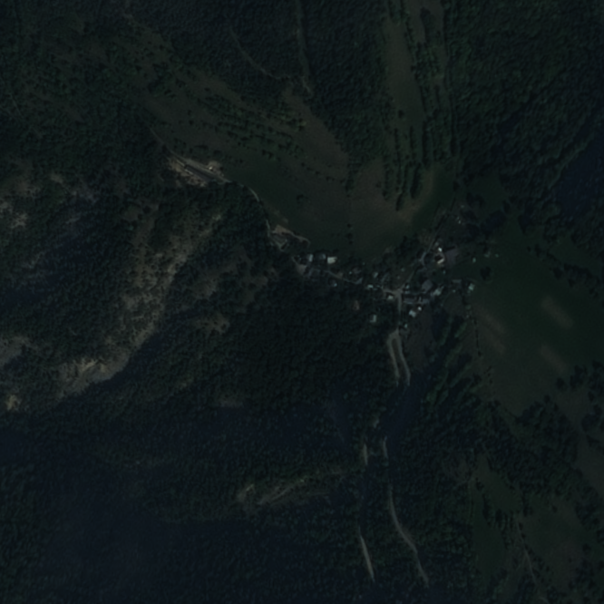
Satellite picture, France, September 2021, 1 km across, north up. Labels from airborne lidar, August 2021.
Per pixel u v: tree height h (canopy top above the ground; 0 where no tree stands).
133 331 7
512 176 21
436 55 13
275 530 7
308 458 15
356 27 23
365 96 24
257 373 28
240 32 22
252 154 0
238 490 17
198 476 29
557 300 0
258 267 22
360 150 14
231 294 10
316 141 0
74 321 23
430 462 15
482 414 13
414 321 11
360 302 10
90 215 9
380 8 20
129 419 15
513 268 0
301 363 31
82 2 21
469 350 0
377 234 0
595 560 0
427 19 19
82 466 38
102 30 19
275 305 17
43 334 11
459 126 18
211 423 20
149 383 17
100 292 16
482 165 21
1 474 26
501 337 0
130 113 12
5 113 7
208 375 15
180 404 22
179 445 24
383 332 13
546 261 12
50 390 8
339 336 25
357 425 26
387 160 16
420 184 18
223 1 24
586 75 29
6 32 19
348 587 25
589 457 0
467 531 11
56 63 13
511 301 0
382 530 14
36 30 17
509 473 20
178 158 0
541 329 0
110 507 23
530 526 0
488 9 28
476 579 17
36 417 14
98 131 13
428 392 16
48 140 11
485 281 12
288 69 21
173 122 0
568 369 0
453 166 14
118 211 12
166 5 19
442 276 0
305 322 18
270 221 11
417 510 24
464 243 7
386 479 9
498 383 0
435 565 12
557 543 0
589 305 0
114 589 29
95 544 21
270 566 20
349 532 15
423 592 7
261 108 9
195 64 20
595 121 15
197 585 13
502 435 17
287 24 23
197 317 13
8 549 23
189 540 30
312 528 10
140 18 15
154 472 12
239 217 7
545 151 27
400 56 0
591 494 19
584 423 0
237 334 19
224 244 12
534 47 26
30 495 23
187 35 13
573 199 26
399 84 0
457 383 8
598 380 11
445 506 15
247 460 30
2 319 20
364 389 26
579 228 25
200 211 12
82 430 18
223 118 8
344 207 0
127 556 25
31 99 12
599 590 14
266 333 26
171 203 13
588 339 0
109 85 19
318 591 19
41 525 19
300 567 31
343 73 26
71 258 14
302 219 0
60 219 14
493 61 28
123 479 8
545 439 18
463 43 22
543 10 26
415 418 23
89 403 12
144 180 16
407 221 0
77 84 17
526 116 22
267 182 0
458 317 0
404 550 18
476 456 10
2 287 16
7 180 6
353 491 11
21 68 14
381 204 0
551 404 13
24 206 14
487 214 0
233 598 21
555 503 0
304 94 12
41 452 26
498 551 0
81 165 12
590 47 23
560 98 23
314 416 15
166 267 11
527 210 8
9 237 13
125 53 12
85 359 16
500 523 13
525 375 0
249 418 27
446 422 12
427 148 17
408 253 17
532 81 33
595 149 12
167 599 24
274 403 26
